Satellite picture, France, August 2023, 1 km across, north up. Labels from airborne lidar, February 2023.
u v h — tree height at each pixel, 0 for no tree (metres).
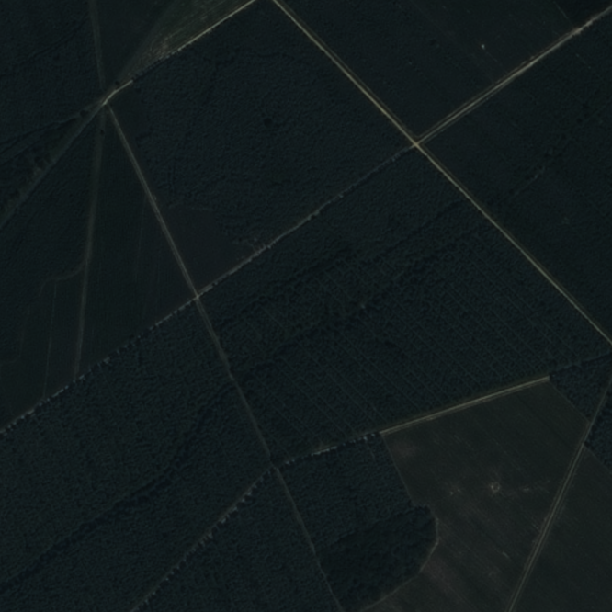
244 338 14
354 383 16
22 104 9
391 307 14
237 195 8
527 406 0
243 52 10
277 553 15
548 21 0
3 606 21
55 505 17
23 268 7
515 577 0
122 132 0
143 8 0
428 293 18
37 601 20
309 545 19
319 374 15
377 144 11
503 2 0
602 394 14
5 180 17
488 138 8
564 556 0
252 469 16
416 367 15
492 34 0
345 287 16
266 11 7
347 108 10
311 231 9
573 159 8
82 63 9
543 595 0
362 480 14
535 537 0
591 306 7
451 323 16
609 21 7
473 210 12
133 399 18
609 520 0
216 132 9
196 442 13
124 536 15
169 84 13
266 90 13
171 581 15
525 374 15
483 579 0
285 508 13
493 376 15
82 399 18
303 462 15
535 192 7
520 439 0
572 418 0
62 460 16
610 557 0
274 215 14
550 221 7
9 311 6
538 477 0
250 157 10
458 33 0
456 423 0
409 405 13
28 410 0
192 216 0
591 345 17
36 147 10
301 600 13
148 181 0
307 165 8
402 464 0
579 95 9
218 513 14
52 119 9
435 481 0
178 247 0
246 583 19
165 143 9
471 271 16
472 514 0
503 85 0
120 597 18
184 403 20
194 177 12
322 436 15
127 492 18
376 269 17
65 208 6
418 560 19
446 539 0
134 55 0
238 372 19
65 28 9
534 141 8
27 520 18
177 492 17
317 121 11
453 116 0
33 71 9
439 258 13
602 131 8
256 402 9
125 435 20
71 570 19
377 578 15
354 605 17
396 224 12
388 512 19
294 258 10
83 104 10
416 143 0
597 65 9
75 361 0
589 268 7
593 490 0
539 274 10
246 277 8
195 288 0
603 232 7
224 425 12
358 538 14
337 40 6
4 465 18
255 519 16
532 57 0
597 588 0
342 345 15
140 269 0
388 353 16
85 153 8
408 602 0
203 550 13
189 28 0
